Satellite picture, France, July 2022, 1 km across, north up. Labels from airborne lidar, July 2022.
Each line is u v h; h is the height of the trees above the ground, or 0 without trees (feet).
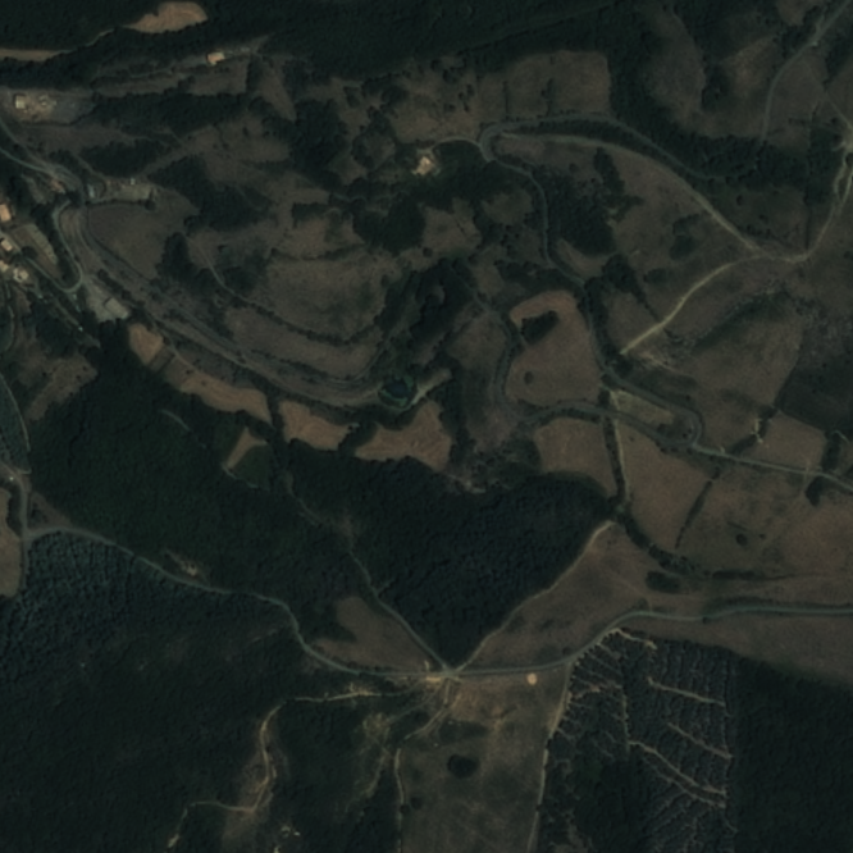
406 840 0
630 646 41
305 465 45
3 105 0
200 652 27
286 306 0
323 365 0
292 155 23
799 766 30
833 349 0
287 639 24
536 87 0
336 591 26
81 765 52
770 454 0
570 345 0
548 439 0
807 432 0
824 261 0
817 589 0
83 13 48
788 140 0
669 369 0
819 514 0
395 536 50
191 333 0
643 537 37
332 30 30
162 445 31
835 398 0
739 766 31
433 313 70
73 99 0
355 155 22
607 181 22
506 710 0
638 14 51
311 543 27
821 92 0
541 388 0
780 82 0
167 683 47
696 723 36
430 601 58
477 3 35
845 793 38
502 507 83
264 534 25
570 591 0
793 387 0
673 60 0
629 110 35
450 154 21
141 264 0
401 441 0
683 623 0
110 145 23
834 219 0
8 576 0
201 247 0
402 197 29
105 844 23
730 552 0
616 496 21
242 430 0
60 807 27
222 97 48
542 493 38
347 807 0
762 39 0
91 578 43
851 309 0
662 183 0
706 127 0
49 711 42
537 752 0
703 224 0
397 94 31
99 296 0
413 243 23
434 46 48
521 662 0
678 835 42
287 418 0
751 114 0
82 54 55
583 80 0
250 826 0
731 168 35
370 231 34
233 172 0
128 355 60
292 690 24
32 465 28
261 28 50
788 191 0
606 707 58
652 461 0
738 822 22
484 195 32
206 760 52
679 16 39
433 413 0
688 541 0
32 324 40
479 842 0
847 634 0
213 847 35
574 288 27
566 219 24
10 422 51
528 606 0
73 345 31
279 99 0
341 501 34
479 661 0
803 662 0
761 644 0
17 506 43
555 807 27
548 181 21
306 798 40
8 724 37
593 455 0
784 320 0
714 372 0
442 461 0
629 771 42
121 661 37
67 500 33
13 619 40
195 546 25
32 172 20
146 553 35
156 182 25
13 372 22
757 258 0
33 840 35
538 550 47
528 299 0
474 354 0
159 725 36
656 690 33
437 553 44
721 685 46
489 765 0
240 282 26
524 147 0
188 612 64
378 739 0
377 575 32
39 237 0
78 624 56
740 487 0
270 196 0
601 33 39
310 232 0
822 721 35
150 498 19
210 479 37
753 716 30
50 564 28
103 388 65
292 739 22
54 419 28
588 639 0
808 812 28
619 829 57
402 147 21
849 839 38
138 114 21
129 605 42
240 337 0
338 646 0
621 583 0
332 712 28
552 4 44
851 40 20
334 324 0
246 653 27
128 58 21
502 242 35
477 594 58
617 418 0
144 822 28
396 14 67
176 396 58
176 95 43
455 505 41
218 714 40
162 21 0
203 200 27
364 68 21
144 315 32
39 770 37
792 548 0
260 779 0
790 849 41
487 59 31
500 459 33
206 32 58
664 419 0
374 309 0
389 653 0
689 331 0
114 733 43
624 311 0
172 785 38
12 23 56
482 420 0
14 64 54
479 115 0
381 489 71
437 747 0
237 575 31
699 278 0
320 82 25
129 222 0
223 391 0
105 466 49
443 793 0
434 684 0
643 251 0
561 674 0
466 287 53
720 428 0
